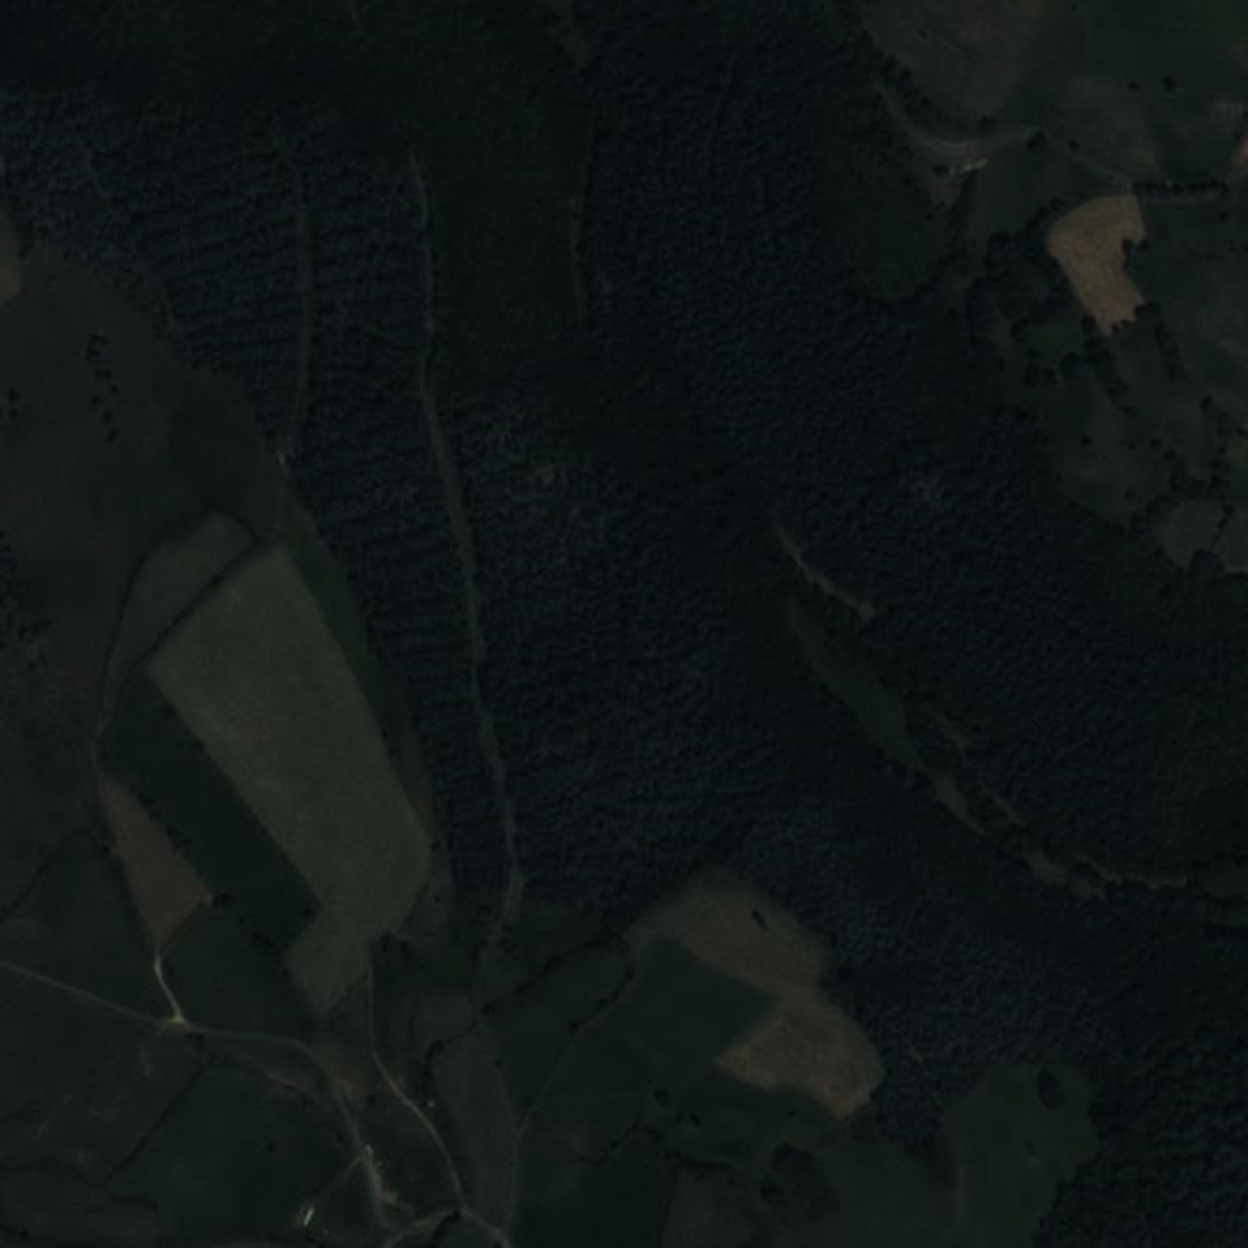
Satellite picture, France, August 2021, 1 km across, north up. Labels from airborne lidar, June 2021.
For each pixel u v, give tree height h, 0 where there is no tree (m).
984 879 22
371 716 0
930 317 21
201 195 12
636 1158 0
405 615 17
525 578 11
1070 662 30
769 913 0
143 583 0
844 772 23
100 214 16
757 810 22
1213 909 23
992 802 9
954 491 24
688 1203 0
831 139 16
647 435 25
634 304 19
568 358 22
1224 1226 8
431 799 0
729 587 22
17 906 0
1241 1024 13
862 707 0
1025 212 0
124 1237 0
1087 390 0
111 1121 0
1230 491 10
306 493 10
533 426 13
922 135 0
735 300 37
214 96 15
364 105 16
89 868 0
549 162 16
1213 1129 6
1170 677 21
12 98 15
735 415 34
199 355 14
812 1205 0
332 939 0
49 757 0
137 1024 0
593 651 34
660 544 31
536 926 0
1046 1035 15
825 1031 0
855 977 17
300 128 19
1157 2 0
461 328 17
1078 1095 0
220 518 0
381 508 16
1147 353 0
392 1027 0
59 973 0
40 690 0
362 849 0
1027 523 30
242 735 0
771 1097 0
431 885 0
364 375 15
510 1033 0
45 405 0
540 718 32
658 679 19
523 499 13
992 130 11
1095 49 0
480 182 15
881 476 23
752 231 26
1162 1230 7
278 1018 0
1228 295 0
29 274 0
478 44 18
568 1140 0
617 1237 0
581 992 0
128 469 0
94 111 15
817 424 33
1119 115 0
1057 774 37
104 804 0
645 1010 0
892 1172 0
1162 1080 10
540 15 20
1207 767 23
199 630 0
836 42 16
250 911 0
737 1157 0
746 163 31
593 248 19
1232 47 0
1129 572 19
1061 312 16
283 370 12
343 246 18
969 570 23
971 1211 0
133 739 0
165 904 0
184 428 0
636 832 14
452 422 17
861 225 0
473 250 20
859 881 16
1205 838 14
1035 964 17
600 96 25
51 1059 0
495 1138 0
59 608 0
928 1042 17
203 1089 0
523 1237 0
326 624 0
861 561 36
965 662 33
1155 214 0
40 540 0
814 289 33
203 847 0
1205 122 0
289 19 15
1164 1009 23
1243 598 20
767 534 29
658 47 20
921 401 28
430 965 0
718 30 16
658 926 0
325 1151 0
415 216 14
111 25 13
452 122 18
